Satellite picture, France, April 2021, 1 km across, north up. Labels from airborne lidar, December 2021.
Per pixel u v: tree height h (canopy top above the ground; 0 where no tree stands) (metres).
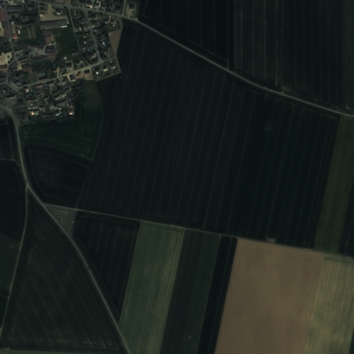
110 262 0
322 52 0
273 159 0
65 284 0
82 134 0
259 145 0
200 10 0
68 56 0
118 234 0
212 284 0
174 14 0
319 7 0
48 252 0
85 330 0
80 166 0
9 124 0
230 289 0
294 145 0
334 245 0
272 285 0
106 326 0
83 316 0
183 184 0
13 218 0
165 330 0
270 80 0
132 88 0
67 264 0
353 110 0
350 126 0
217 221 0
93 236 0
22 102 8
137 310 0
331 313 0
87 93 0
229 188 0
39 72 0
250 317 0
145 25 0
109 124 0
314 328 0
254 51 0
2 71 0
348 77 0
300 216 0
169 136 0
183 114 0
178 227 0
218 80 0
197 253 0
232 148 0
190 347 0
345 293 0
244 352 0
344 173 0
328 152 0
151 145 0
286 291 0
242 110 0
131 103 0
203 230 0
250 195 0
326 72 0
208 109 0
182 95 0
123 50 0
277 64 0
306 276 0
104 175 0
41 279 0
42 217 0
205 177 0
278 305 0
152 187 0
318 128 0
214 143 0
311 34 0
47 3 0
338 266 0
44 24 0
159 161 0
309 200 0
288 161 0
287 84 0
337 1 0
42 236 0
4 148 0
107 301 0
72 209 0
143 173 0
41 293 0
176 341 0
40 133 0
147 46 0
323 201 0
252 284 0
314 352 0
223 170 0
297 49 0
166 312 0
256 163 0
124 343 0
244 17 0
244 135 0
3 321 0
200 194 0
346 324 0
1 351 0
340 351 0
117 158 0
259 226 0
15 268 0
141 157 0
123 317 0
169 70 0
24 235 0
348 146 0
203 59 0
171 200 0
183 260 0
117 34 0
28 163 0
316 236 0
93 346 0
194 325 0
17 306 0
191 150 0
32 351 0
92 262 0
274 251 0
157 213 0
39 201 0
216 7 0
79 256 0
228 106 0
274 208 0
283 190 0
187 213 0
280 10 0
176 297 0
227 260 0
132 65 0
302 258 0
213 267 0
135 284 0
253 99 0
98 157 0
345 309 0
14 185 0
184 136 0
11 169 0
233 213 0
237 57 0
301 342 0
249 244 0
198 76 0
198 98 0
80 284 0
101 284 0
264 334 0
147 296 0
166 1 0
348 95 0
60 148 0
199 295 0
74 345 0
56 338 0
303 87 0
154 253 0
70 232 0
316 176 0
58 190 0
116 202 0
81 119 0
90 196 0
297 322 0
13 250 0
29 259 0
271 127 0
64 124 0
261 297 0
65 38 0
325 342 0
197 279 0
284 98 0
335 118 0
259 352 0
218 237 0
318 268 0
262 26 0
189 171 0
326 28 0
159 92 0
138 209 0
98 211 0
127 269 0
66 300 0
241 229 0
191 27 0
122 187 0
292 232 0
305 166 0
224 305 0
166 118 0
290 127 0
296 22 0
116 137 0
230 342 0
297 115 0
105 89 0
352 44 0
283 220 0
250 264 0
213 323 0
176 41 0
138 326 0
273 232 0
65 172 0
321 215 0
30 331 0
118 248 0
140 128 0
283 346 0
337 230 0
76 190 0
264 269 0
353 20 0
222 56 0
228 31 0
